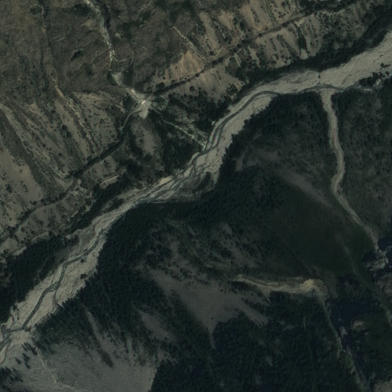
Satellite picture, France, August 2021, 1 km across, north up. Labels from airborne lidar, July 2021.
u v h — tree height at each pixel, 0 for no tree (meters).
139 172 11
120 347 0
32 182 0
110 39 0
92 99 0
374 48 0
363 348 8
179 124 6
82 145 0
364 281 0
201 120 6
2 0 0
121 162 7
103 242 0
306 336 17
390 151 0
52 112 7
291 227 0
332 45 13
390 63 0
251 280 0
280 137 5
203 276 0
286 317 10
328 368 0
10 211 0
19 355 0
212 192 10
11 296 18
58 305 0
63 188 0
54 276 0
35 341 0
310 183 0
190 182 0
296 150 0
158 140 0
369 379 6
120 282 13
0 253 0
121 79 0
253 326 6
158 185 0
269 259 0
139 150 7
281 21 0
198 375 7
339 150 0
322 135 8
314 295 0
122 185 10
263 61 10
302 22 0
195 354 8
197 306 0
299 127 12
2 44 0
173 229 8
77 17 0
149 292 18
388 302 0
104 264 25
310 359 16
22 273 13
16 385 0
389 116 8
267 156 0
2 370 0
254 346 12
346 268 0
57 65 0
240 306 0
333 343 0
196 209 14
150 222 12
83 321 13
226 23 0
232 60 9
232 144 13
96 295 8
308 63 7
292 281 0
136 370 0
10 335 0
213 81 0
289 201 0
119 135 9
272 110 16
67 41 0
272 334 8
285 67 7
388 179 0
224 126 0
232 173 11
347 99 11
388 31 0
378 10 14
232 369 9
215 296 0
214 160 0
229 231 0
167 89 9
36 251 26
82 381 0
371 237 0
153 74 6
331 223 0
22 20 0
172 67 0
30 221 0
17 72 0
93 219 10
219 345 9
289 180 0
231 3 0
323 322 6
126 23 10
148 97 0
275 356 10
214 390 7
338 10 9
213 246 7
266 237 0
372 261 6
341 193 0
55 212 0
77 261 0
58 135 0
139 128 0
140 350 0
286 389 8
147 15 0
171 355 6
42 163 0
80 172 9
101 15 0
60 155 8
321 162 0
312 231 0
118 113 0
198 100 19
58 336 0
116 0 0
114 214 0
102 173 0
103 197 14
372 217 0
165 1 0
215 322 0
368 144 6
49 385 0
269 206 13
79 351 0
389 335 0
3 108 0
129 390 0
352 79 0
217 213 13
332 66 9
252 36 0
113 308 13
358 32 0
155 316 0
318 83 0
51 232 8
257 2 0
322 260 0
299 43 6
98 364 0
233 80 0
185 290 0
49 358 0
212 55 13
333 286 0
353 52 13
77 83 0
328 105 0
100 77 0
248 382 13
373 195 0
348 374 8
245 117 0
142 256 9
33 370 0
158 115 5
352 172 0
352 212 0
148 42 0
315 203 0
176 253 0
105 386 0
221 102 10
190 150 14
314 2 14
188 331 6
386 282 0
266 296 0
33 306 0
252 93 0
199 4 0
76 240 10
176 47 0
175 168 10
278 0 0
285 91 0
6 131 0
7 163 0
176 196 0
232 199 6
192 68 0
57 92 0
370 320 0
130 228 11
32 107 0
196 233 7
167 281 0
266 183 11
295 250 0
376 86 0
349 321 17
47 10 8
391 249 0
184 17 0
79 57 17
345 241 0
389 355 0
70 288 0
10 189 12
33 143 0
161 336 0
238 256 0
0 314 13
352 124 0
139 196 0
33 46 0
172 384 6
